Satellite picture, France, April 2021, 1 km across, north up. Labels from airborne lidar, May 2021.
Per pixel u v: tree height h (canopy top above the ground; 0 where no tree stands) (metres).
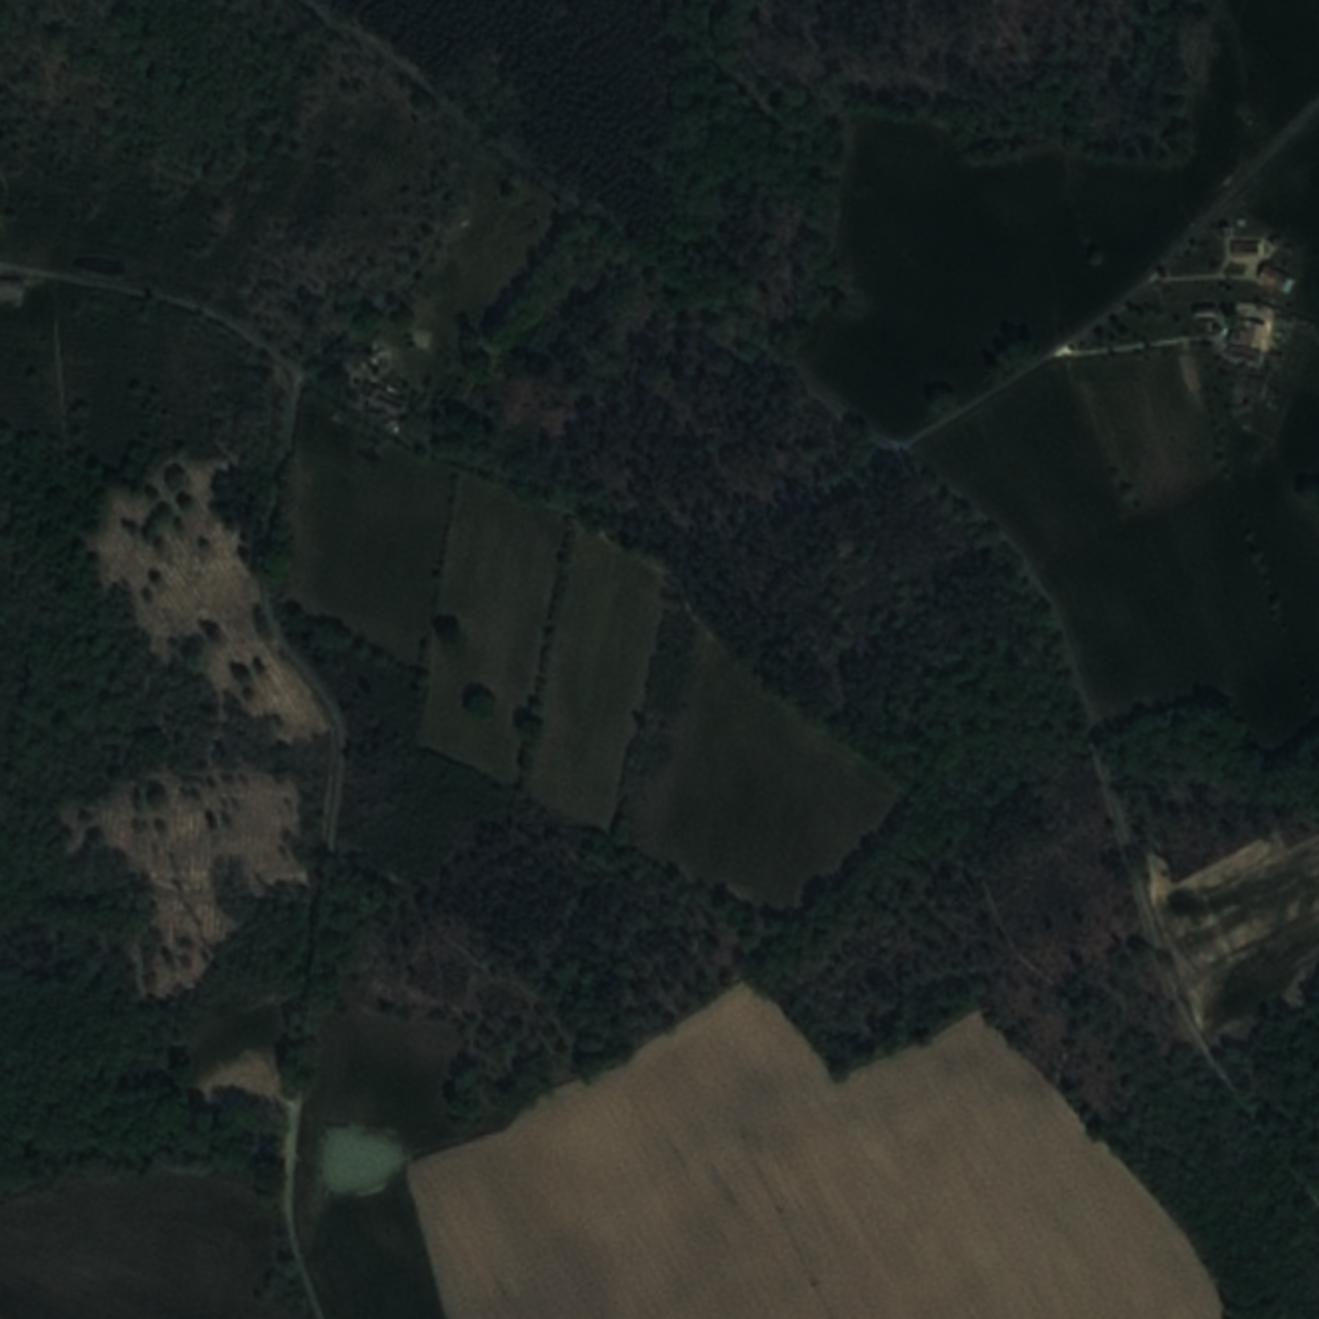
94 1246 0
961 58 9
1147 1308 0
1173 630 0
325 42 14
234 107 12
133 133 11
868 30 22
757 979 18
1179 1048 10
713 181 26
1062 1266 0
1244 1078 20
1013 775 17
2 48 13
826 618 6
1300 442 0
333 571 0
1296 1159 17
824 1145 0
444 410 6
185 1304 0
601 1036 7
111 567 0
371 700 19
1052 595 0
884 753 19
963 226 0
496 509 0
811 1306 0
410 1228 0
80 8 14
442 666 0
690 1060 0
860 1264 0
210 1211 0
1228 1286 13
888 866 18
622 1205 0
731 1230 0
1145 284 0
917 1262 0
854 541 8
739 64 11
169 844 0
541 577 0
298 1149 0
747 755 0
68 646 14
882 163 0
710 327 14
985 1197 0
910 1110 0
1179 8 26
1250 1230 13
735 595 20
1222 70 0
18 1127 26
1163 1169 12
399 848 7
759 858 0
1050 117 13
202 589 0
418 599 0
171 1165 19
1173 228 0
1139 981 16
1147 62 15
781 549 26
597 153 22
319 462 0
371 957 15
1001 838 24
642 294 19
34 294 0
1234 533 0
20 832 14
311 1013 22
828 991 7
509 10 20
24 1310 0
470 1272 0
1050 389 0
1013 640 16
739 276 24
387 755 6
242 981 12
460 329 0
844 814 0
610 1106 0
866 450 14
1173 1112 14
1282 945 0
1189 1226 17
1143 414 0
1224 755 25
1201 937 0
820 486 9
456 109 12
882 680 23
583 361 17
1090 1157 0
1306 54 0
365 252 6
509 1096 17
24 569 11
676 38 16
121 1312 0
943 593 6
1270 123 0
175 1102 27
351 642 15
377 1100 0
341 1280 0
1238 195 0
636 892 12
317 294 10
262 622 11
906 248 0
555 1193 0
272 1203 15
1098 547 0
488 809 5
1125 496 7
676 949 15
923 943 13
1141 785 9
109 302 7
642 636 0
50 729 10
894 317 0
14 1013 17
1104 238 0
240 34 12
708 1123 0
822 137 19
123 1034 17
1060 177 0
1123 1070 8
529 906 10
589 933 13
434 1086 0
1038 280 0
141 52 15
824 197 23
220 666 0
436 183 8
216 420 7
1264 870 0
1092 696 0
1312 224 0
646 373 24
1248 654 0
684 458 21
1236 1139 18
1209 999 0
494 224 0
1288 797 23
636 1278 0
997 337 0
